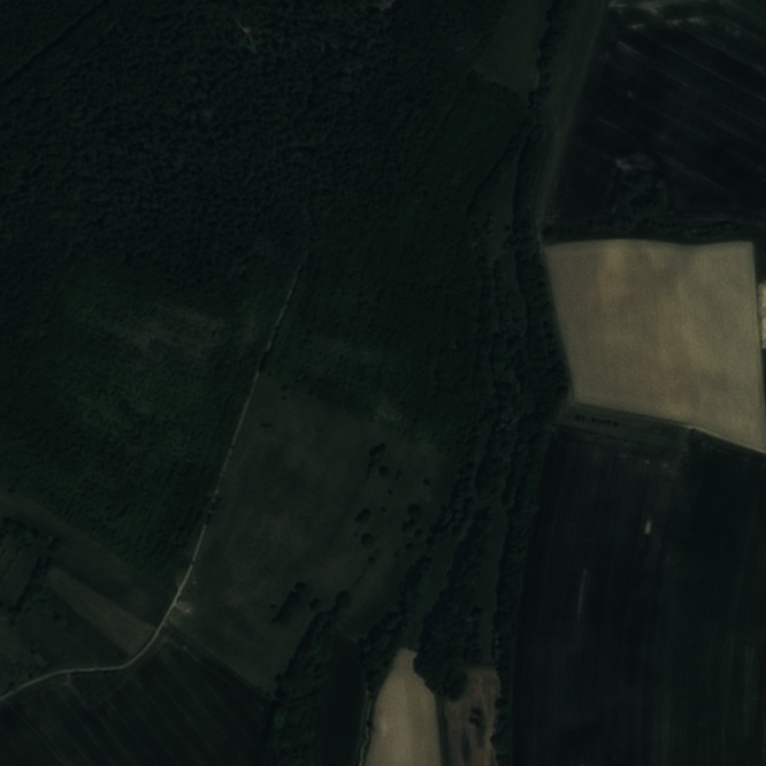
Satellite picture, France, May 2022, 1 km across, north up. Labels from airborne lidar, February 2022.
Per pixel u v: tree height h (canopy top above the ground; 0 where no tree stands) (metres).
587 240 0
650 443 0
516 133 13
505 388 20
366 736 0
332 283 8
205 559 0
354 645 0
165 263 23
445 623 22
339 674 0
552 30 11
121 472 8
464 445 9
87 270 8
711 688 0
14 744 0
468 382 9
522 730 0
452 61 17
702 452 0
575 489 0
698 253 0
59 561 0
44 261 24
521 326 7
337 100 22
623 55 0
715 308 0
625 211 0
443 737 0
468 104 8
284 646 0
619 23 0
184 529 10
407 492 0
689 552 0
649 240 0
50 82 23
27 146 22
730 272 0
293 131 21
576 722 0
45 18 21
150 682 0
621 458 0
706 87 0
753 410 0
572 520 0
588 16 0
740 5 0
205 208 29
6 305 26
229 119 21
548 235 12
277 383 0
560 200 0
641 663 0
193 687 0
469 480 15
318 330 6
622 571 0
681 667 0
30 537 10
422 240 10
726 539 0
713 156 0
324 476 0
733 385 0
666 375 0
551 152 0
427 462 0
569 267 0
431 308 9
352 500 0
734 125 0
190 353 0
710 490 0
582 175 0
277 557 0
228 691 0
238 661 0
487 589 0
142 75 26
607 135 0
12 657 0
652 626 0
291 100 27
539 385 20
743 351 0
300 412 0
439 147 8
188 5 27
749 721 0
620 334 0
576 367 0
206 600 0
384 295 7
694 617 0
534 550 0
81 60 23
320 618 9
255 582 0
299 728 27
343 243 6
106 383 6
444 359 11
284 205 29
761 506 0
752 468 0
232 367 7
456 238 8
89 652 0
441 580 0
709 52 0
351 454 0
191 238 25
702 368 0
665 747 0
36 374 8
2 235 23
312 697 17
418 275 9
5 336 21
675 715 0
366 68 14
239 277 18
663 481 0
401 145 20
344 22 24
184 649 0
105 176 21
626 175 0
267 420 0
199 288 14
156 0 22
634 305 0
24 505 0
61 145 20
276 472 0
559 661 0
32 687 0
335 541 0
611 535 0
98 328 0
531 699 0
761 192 0
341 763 0
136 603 0
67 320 9
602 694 0
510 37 0
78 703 0
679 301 0
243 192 33
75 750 0
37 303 20
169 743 0
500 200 0
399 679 0
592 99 0
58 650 0
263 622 0
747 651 0
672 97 0
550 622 0
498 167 14
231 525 0
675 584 0
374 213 18
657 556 0
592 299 0
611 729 0
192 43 28
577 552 0
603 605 0
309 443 0
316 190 22
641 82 0
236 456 0
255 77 23
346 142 21
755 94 0
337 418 0
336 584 0
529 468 17
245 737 0
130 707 0
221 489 0
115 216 28
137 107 29
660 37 0
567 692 0
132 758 0
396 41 21
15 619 9
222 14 31
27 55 14
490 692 0
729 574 0
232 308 12
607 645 0
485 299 15
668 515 0
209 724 0
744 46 0
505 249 6
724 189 0
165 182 29
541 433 17
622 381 0
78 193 22
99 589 0
